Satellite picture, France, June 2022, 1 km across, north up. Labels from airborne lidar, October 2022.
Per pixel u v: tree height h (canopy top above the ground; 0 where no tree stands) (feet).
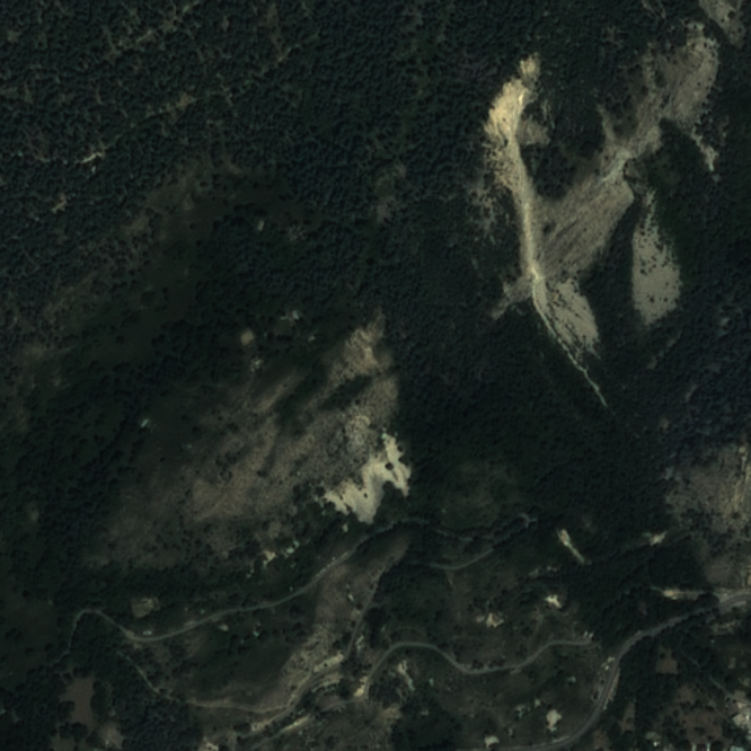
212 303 24
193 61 77
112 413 31
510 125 0
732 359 39
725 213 56
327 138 42
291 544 21
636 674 37
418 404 22
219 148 56
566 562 26
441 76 22
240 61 68
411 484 33
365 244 95
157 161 89
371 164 44
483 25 78
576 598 34
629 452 40
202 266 22
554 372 49
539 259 0
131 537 0
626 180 28
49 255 39
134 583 35
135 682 35
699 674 34
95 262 59
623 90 31
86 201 55
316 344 31
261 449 0
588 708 0
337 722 0
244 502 0
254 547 38
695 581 43
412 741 47
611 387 35
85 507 41
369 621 42
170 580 26
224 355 60
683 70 0
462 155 85
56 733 54
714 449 56
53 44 76
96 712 27
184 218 0
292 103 69
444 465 23
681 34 27
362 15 66
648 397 54
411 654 45
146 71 33
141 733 47
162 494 0
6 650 0
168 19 39
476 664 31
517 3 48
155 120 47
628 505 55
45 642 0
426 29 68
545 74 23
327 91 57
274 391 0
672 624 0
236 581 37
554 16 38
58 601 40
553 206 0
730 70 62
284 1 77
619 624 50
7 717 33
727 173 42
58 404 28
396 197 25
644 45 39
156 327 0
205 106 33
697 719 0
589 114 36
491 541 24
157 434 0
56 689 64
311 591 0
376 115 67
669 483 42
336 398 26
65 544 38
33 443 21
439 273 30
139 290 25
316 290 92
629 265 36
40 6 69
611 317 51
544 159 18
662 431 22
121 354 0
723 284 61
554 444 19
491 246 21
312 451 0
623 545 74
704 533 34
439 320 47
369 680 0
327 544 54
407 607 24
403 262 54
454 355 84
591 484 68
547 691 23
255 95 67
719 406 23
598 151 26
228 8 92
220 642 20
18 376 60
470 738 0
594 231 0
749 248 65
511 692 0
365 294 77
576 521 37
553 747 0
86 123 79
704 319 54
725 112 46
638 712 58
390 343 54
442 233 28
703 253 54
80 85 75
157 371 40
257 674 0
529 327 40
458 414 84
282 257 59
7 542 30
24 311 66
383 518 23
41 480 27
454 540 33
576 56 40
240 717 0
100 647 66
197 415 0
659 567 69
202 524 0
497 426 64
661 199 22
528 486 26
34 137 0
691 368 31
